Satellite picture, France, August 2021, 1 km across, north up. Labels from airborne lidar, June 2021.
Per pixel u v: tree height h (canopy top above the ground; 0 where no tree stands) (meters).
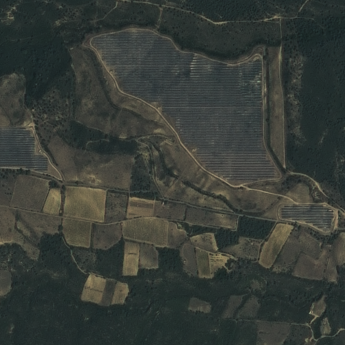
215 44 0
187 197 0
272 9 0
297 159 0
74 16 8
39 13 0
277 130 0
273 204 0
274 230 0
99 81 0
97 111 0
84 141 0
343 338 0
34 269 7
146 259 0
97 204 0
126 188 0
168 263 9
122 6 0
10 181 0
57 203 0
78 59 0
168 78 0
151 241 0
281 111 0
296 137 6
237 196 0
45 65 6
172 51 0
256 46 0
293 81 0
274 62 0
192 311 10
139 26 0
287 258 0
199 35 0
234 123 0
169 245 0
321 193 0
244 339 0
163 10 0
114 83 0
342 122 9
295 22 9
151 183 7
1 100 0
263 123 0
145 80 0
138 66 0
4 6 0
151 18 0
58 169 0
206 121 0
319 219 0
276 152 0
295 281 0
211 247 0
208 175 0
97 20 0
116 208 0
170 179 0
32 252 0
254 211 0
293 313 0
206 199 0
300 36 7
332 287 8
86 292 0
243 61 0
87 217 0
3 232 0
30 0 0
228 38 0
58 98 0
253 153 0
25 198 0
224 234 10
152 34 0
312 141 0
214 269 0
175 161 0
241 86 0
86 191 0
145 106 0
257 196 0
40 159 0
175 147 0
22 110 0
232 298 0
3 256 8
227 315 0
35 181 0
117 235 0
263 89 0
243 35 0
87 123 0
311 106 7
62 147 0
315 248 0
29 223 0
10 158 0
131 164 0
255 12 9
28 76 0
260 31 0
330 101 0
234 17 6
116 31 0
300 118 0
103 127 0
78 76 0
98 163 0
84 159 0
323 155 0
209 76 0
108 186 0
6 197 0
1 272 0
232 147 0
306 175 0
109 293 0
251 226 10
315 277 0
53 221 0
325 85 0
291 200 0
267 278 0
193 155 0
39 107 7
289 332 0
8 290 0
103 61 0
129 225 0
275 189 0
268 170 0
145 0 0
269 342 0
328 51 8
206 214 0
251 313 0
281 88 0
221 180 0
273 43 7
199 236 0
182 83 0
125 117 0
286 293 0
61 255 10
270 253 0
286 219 0
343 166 0
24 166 0
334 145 0
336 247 0
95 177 0
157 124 0
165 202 9
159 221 0
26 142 0
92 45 0
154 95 0
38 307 0
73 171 0
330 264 0
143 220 0
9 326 0
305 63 0
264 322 0
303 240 0
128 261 0
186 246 0
